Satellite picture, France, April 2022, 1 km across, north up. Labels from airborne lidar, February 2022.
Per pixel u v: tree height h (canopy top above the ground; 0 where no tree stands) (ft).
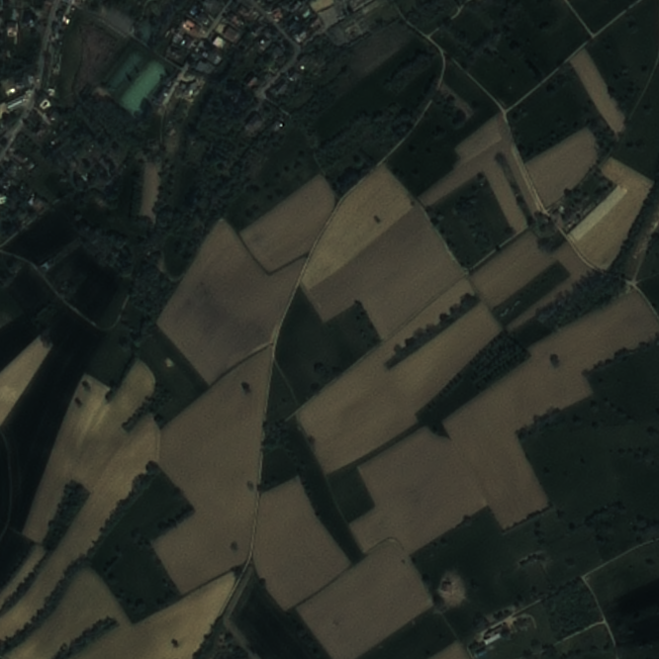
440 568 0
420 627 0
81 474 0
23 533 0
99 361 0
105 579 0
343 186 49
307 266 0
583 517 0
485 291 0
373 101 0
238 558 0
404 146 0
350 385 0
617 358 24
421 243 0
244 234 0
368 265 0
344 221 0
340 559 0
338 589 0
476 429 0
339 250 0
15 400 0
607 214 0
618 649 41
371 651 0
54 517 0
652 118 0
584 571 0
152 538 0
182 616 0
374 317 0
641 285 0
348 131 30
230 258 0
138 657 0
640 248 0
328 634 0
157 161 45
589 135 0
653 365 0
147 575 0
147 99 0
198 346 0
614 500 0
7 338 0
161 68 0
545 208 0
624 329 0
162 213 45
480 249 19
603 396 0
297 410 0
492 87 0
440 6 21
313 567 0
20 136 30
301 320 0
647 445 0
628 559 0
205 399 0
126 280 0
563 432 0
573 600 23
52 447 0
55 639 0
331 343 0
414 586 0
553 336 0
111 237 32
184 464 0
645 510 0
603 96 0
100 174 58
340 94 0
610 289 69
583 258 0
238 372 0
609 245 0
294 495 0
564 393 0
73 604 0
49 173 0
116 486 0
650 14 0
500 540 0
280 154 0
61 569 0
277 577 0
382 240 0
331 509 0
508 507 0
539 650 35
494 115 0
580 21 0
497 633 0
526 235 0
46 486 0
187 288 0
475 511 0
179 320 0
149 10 0
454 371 0
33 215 54
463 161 0
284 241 0
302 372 0
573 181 0
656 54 0
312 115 24
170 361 0
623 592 0
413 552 0
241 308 0
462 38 27
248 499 0
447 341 0
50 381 0
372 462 0
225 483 0
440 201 0
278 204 0
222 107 36
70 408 0
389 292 0
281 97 22
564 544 0
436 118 0
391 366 0
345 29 0
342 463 0
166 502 0
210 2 0
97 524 0
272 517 0
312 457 0
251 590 0
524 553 0
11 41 0
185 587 0
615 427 0
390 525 0
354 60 0
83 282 0
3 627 0
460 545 0
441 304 0
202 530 0
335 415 0
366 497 0
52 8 0
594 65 0
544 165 0
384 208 0
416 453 0
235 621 0
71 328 0
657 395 0
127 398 0
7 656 0
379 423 0
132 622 0
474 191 24
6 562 0
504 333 0
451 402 0
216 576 0
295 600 0
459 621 0
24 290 0
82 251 0
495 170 0
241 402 0
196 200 55
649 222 0
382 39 0
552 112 0
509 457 0
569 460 0
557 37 0
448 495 0
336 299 0
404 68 33
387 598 0
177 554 0
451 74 0
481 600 0
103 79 0
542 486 0
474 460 0
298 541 0
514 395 0
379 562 0
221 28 0
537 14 0
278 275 0
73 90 0
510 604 0
